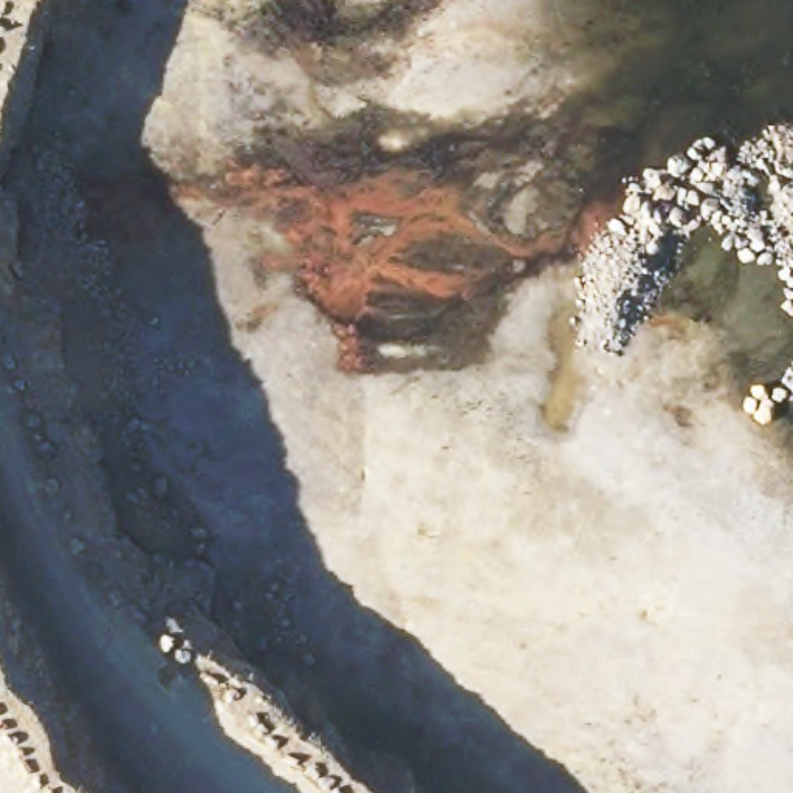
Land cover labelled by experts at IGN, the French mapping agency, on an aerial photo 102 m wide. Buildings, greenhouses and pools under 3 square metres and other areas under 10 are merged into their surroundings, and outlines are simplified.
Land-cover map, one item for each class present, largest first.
<instances>
[{"label":"pervious surface","instance_id":"1","mask_svg":"<svg viewBox=\"0 0 793 793\"><path fill-rule=\"evenodd\" d=\"M585 22V6L579 0H0V793H793V366L787 369L781 387H753L743 400V409H731L728 387L703 390V362H709L712 356H725L709 325L669 310L632 325L620 319L616 300L623 291L632 294L638 288V279L644 276L641 257L647 251H657L660 235L675 229L678 235H691L703 223H709L722 239V248L737 251L743 263H768L781 269L784 313H793V124L765 127L759 139L743 142L734 167L725 164V152L716 139L700 136L688 146V152L669 158L666 167L632 177L626 189V204H595L589 208V214L582 208H570L567 183L595 164L598 130L613 124L623 127L629 121V115L620 105H610L607 96L595 87V81L607 77V71L598 65L592 53L582 50L579 31Z\"/></svg>","mask_w":793,"mask_h":793},{"label":"water","instance_id":"2","mask_svg":"<svg viewBox=\"0 0 793 793\"><path fill-rule=\"evenodd\" d=\"M585 6V22L579 31L582 50L592 53L598 65L607 71V77L595 81V87L607 96L610 105H620L629 115V121L623 127L613 124L598 130L595 164L567 183L570 208H582L589 214V208L595 204H626V189L632 177L666 167L669 158L688 152V146L700 136L716 139L725 152V164L734 167L743 142L759 139L765 127L793 124V0H579ZM644 276L638 279V288L632 294L623 291L616 300L620 319L632 325L669 310L709 325L725 356H712L709 362H703V390L728 387L731 409H743V400L753 387H781L787 369L793 366V313H784L781 269L768 263H743L737 251L722 248V239L709 223H703L691 235H678L675 229L660 235L657 251H647L641 257Z\"/></svg>","mask_w":793,"mask_h":793}]
</instances>
